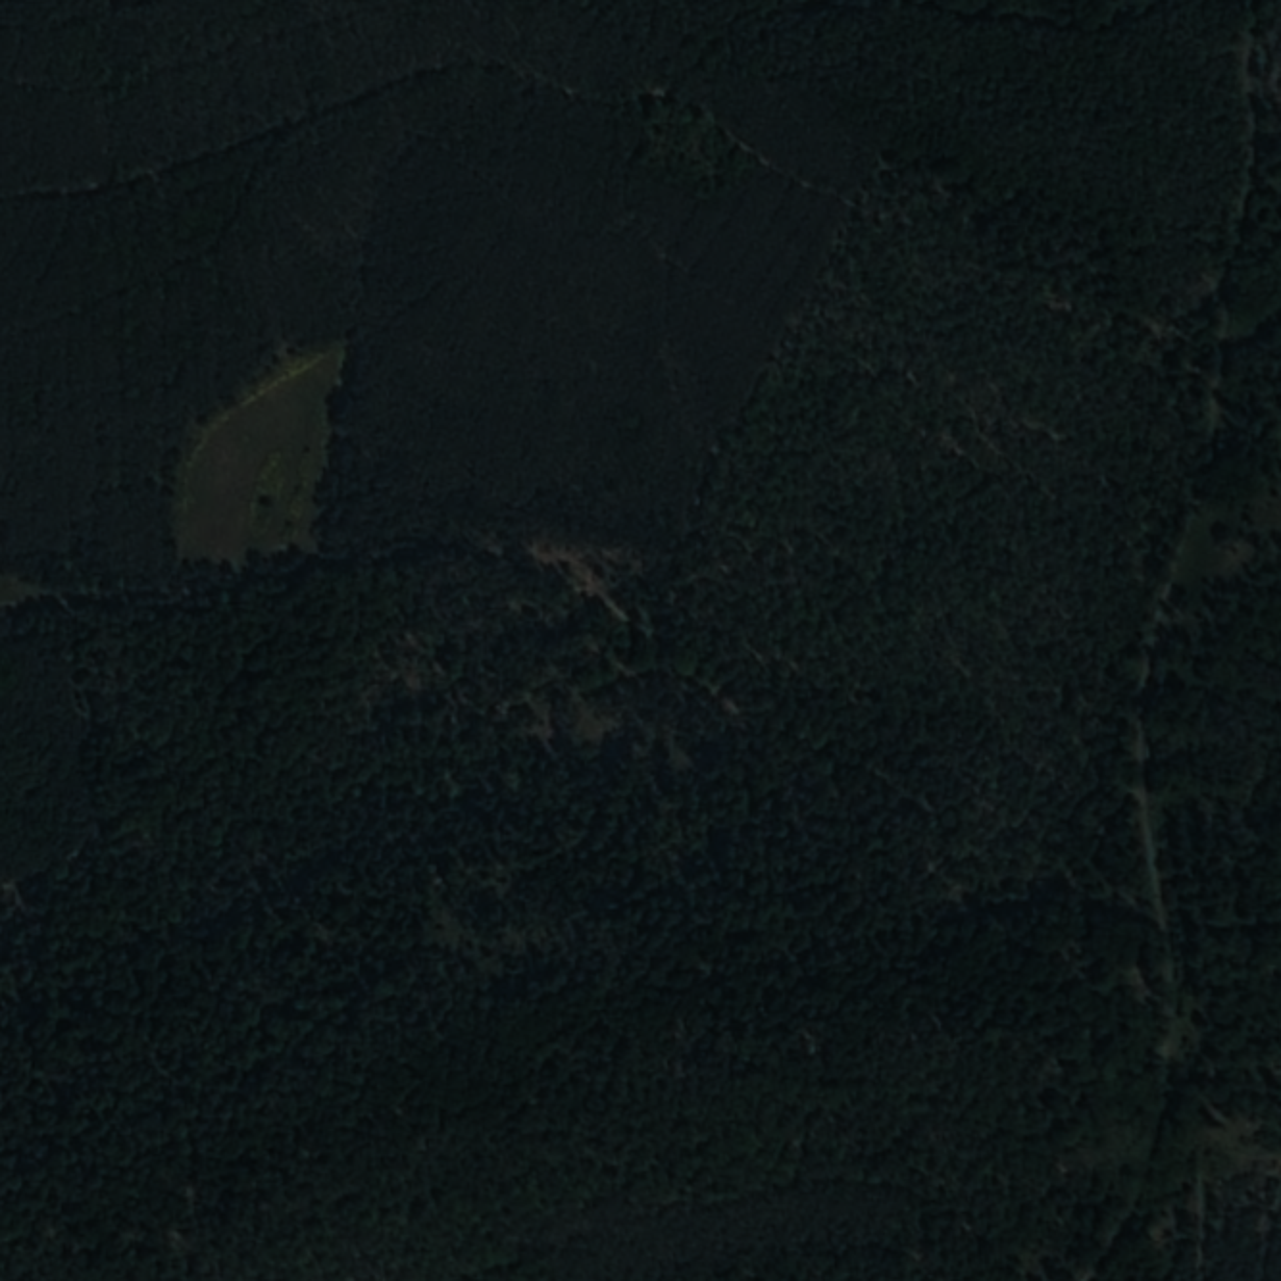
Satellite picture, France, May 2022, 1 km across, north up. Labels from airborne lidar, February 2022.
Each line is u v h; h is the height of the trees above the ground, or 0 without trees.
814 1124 26
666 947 28
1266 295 31
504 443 20
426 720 31
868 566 26
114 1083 34
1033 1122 24
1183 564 0
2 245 15
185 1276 25
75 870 34
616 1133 25
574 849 38
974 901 6
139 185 12
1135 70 21
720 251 15
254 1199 24
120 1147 25
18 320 15
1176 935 12
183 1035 35
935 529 28
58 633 19
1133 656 27
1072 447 26
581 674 27
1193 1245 11
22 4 20
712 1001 26
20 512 15
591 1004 27
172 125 21
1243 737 21
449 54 15
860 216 21
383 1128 28
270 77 19
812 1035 27
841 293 26
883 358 24
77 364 16
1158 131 22
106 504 15
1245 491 26
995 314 24
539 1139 29
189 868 27
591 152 16
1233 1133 0
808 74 20
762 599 27
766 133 17
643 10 15
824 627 25
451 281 15
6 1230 29
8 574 19
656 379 17
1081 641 26
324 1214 23
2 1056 32
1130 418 24
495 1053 28
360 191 20
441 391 20
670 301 13
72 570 17
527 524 25
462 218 17
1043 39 25
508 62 17
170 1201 30
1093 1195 14
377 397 23
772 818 30
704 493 29
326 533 19
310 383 0
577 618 24
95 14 19
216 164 17
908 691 32
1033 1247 28
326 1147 27
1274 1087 40
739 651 30
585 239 17
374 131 20
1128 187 23
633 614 25
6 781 15
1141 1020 27
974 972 30
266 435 0
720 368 16
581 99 17
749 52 19
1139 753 0
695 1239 25
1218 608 29
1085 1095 28
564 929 24
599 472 22
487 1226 26
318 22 17
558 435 21
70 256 15
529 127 15
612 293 19
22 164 15
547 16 20
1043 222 21
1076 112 11
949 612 24
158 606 10
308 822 32
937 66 17
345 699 32
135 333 16
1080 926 11
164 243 13
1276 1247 11
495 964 20
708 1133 23
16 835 16
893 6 22
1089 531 24
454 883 33
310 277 22
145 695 33
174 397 17
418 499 19
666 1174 26
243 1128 28
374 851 34
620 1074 22
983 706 29
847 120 16
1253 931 27
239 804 32
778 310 14
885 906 30
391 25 16
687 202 14
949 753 28
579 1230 20
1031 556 28
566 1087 26
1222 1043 30
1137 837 8
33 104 16
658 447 20
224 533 0
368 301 21
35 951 31
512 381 20
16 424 17
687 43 16
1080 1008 28
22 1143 25
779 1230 27
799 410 31
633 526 30
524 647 32
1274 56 23
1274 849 29
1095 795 30
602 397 21
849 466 23
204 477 0
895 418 21
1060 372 26
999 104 23
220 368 17
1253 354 21
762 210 14
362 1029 25
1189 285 24
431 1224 26
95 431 15
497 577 28
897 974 29
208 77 21
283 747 35
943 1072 25
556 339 19
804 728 28
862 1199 26
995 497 25
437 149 18
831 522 27
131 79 15
